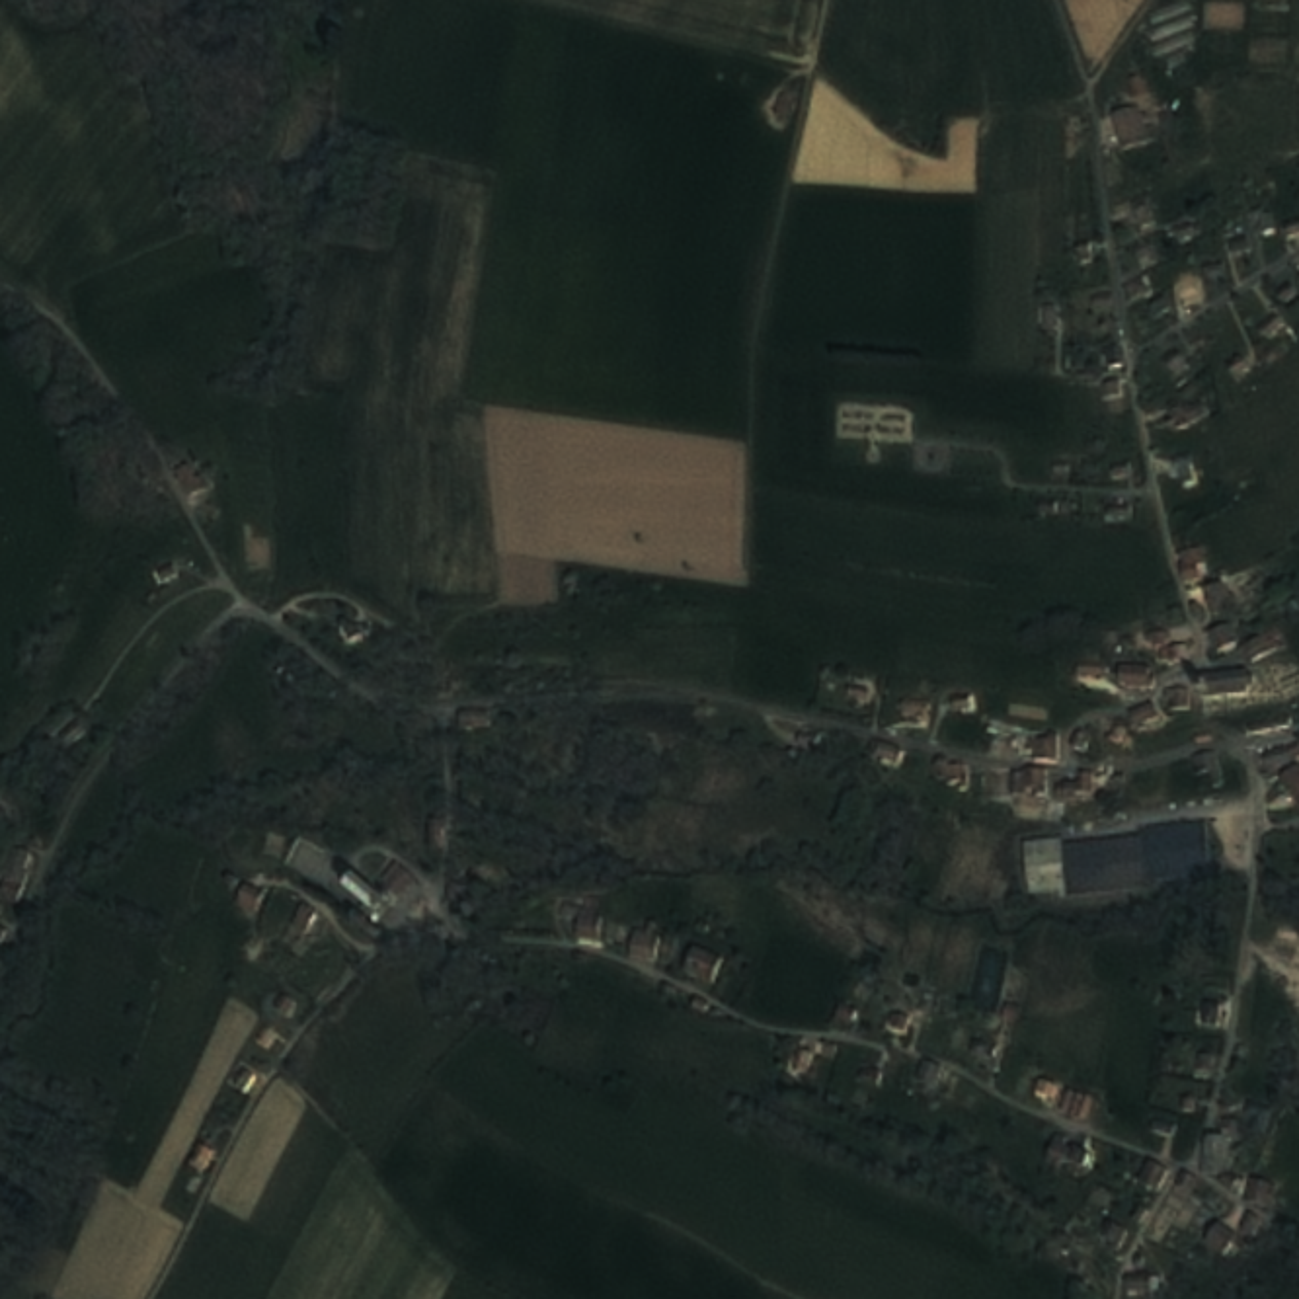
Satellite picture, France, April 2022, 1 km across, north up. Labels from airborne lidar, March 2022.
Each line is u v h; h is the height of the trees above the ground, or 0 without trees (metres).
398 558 0
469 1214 0
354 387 0
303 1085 13
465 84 0
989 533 0
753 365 0
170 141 20
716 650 0
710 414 0
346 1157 0
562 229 0
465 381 0
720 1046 0
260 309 0
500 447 0
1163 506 0
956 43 0
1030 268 0
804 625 0
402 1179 0
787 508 0
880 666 0
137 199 0
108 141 0
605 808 16
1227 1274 13
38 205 0
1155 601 0
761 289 0
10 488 0
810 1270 0
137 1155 0
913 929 0
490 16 0
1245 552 0
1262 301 0
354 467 0
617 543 0
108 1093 13
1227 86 0
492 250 0
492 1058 0
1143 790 0
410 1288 0
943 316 0
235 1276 0
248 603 0
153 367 0
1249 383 0
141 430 25
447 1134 0
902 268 0
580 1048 0
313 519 0
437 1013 16
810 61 0
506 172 0
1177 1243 0
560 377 0
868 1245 0
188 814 13
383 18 0
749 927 0
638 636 0
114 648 0
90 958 0
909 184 0
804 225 0
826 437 0
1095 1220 0
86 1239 0
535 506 0
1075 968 0
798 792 0
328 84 0
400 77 0
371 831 0
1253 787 0
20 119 0
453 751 22
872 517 0
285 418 0
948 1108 0
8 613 0
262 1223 0
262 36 32
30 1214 25
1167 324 0
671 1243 0
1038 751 0
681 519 0
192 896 0
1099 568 0
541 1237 0
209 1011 0
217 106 29
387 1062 0
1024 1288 0
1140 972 0
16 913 0
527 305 0
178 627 0
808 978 0
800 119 0
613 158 0
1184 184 0
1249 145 0
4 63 0
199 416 0
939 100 0
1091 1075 0
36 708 0
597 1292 0
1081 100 0
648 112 0
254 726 0
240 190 27
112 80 0
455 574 0
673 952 0
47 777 24
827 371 0
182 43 34
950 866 0
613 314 0
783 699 0
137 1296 0
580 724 16
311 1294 0
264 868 0
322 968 0
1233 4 0
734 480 0
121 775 19
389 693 23
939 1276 0
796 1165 0
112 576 0
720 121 0
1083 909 0
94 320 0
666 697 0
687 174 0
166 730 11
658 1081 0
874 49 0
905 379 0
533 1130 0
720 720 0
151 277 0
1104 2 0
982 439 0
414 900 0
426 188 0
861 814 10
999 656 0
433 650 18
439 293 0
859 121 0
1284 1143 0
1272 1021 0
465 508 0
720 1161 0
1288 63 0
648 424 0
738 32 0
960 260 0
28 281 0
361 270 0
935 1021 0
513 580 0
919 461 0
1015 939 0
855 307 0
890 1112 0
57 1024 0
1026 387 0
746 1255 0
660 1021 0
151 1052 0
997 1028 0
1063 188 0
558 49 0
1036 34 0
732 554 0
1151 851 0
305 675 17
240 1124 0
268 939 0
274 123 26
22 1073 14
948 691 0
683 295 0
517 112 0
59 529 0
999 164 0
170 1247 0
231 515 0
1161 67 0
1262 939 0
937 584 0
